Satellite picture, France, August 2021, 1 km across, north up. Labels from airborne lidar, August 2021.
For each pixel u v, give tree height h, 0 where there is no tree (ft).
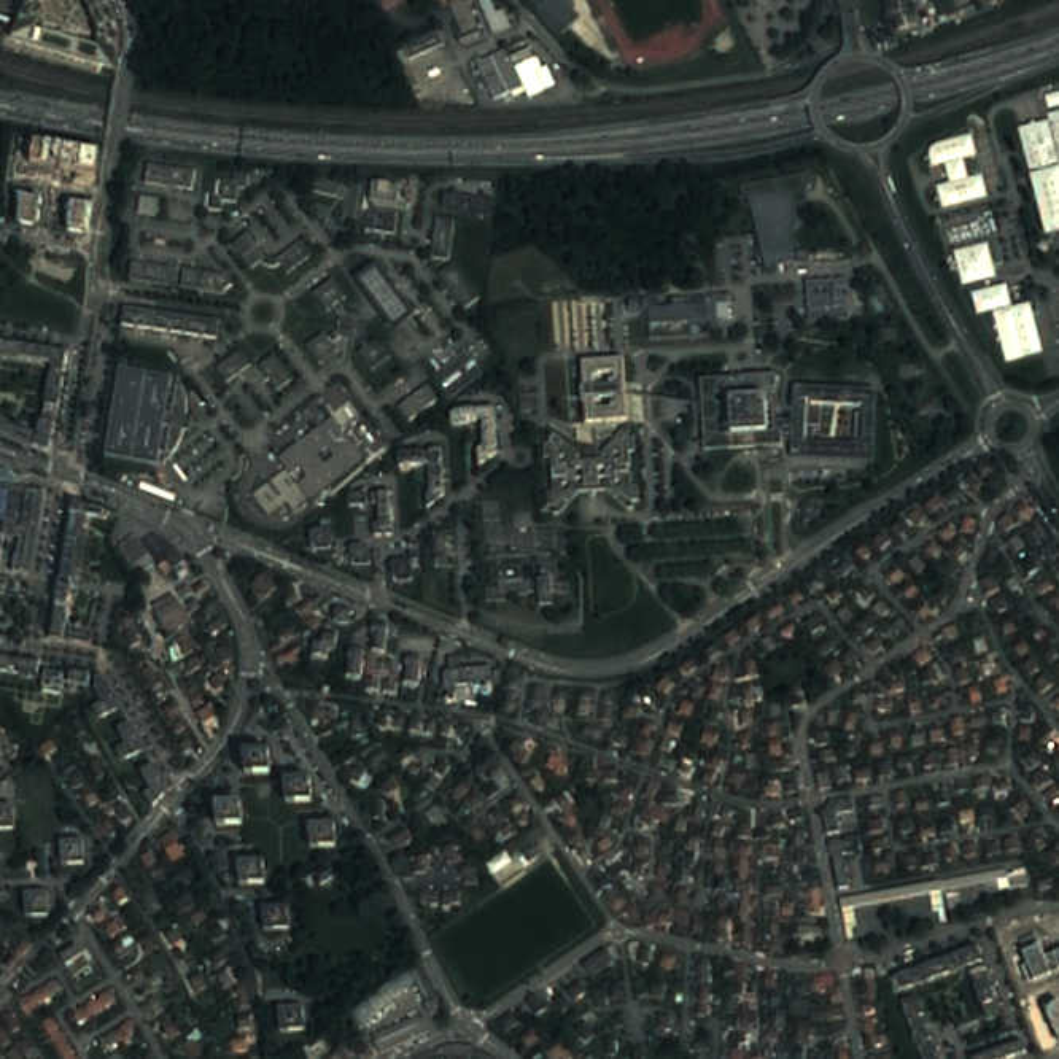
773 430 0
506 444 0
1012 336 0
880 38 35
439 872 0
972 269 0
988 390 0
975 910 43
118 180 24
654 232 18
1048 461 0
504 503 0
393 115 0
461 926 0
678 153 0
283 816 0
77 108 0
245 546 0
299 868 53
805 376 0
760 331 21
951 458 0
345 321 0
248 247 0
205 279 0
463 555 0
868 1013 0
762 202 0
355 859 51
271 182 20
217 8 55
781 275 0
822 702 0
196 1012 32
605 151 0
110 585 0
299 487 0
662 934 0
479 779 24
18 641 21
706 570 43
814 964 0
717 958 30
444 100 0
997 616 23
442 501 32
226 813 0
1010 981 19
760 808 0
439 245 0
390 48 27
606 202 50
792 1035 19
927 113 0
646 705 18
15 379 30
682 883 0
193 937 28
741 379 0
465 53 0
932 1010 25
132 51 21
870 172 0
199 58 51
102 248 0
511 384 23
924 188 0
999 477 42
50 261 0
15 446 23
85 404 32
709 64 0
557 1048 0
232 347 24
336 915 30
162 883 23
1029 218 38
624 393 0
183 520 0
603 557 0
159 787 0
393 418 27
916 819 20
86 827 45
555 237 35
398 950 50
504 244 22
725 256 0
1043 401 0
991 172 0
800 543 0
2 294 30
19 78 0
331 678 18
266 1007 40
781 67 0
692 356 0
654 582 0
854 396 0
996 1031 22
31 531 0
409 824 28
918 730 24
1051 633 18
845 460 0
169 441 0
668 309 0
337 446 0
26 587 21
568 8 0
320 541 0
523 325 0
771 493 0
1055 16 0
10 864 32
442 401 43
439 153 0
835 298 0
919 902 0
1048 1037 0
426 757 0
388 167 0
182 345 0
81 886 45
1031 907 0
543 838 0
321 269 0
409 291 0
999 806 23
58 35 0
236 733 0
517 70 0
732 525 50
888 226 0
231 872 0
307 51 57
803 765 0
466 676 0
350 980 34
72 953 0
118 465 0
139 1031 25
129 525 0
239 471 0
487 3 0
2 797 0
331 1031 42
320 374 0
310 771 0
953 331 0
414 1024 0
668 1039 26
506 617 0
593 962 0
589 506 0
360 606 0
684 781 0
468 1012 0
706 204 56
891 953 0
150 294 27
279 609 21
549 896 0
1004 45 0
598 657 0
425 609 0
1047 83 0
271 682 0
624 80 0
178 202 0
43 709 0
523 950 0
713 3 0
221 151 0
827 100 0
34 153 0
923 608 0
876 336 57
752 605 41
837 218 0
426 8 60
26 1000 0
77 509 0
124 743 0
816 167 0
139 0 61
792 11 36
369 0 22
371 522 0
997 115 0
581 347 0
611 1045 0
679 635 0
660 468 29
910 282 0
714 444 0
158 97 0
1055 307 0
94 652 21
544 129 0
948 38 0
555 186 45
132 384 0
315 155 0
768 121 0
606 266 36
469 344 0
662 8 0
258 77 54
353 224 38
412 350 0
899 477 0
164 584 0
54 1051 23
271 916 0
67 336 0
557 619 38
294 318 0
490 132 0
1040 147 0
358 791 19
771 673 25
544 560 0
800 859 0
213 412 20
